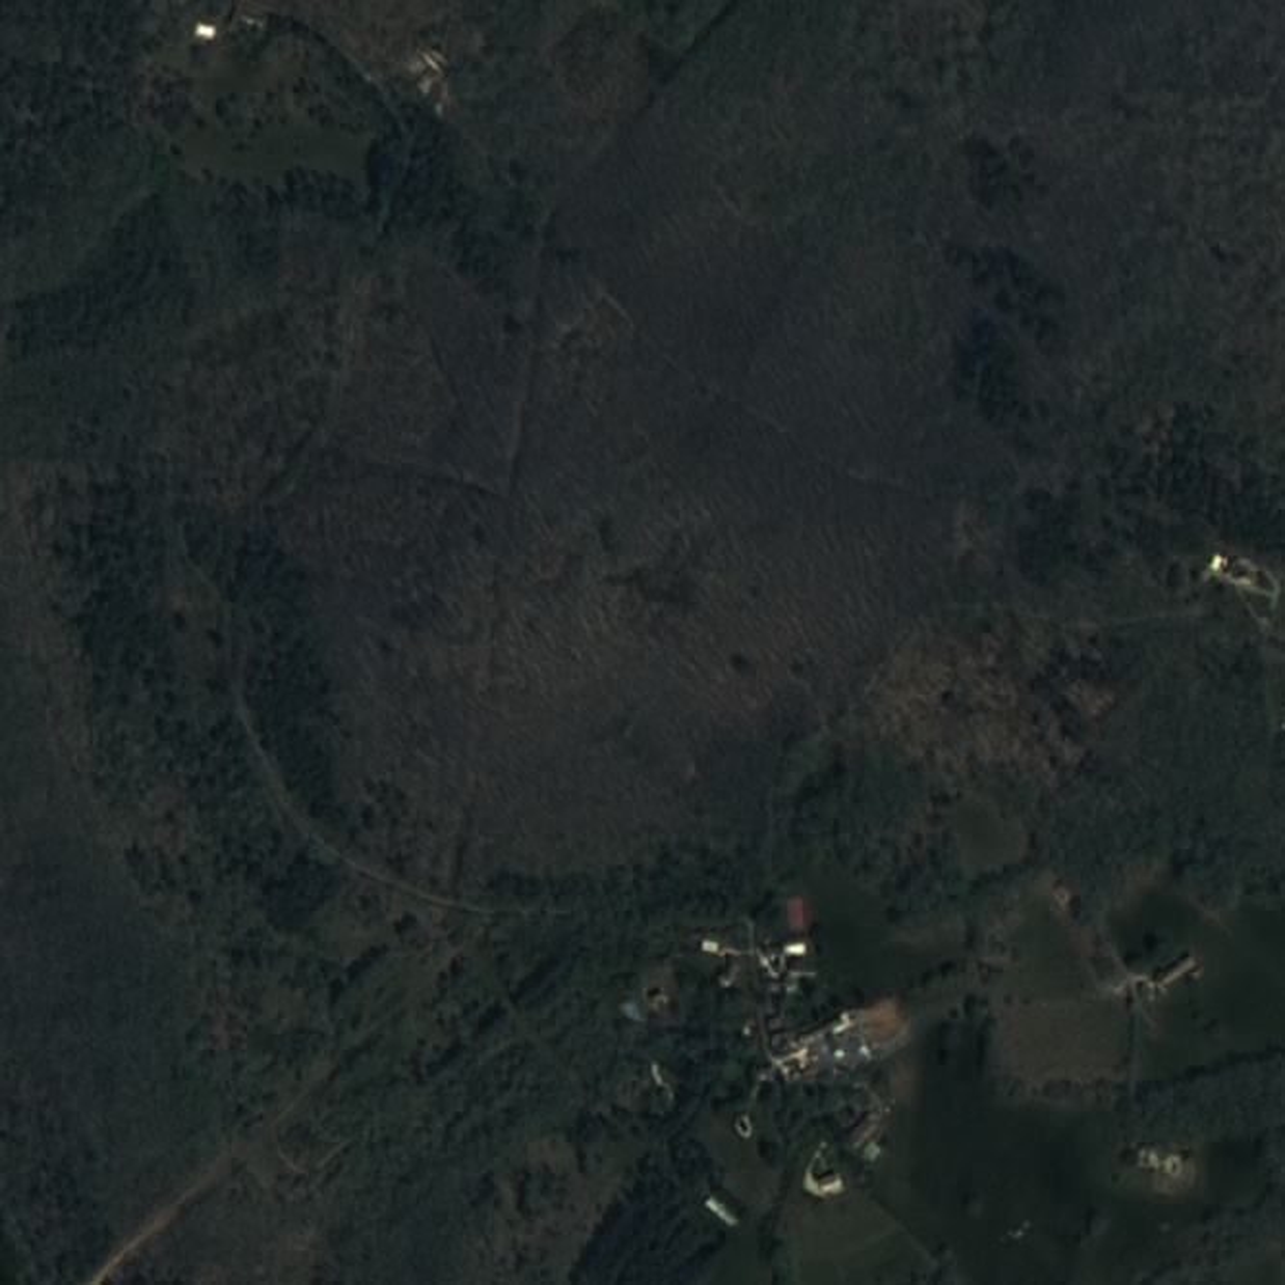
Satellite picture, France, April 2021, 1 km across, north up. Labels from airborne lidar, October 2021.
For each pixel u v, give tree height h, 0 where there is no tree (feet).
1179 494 43
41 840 50
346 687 35
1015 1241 0
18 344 39
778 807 49
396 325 51
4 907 44
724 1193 33
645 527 45
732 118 53
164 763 27
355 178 0
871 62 63
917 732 68
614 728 44
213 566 49
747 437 47
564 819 54
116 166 56
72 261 69
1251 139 44
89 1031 68
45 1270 52
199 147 0
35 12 56
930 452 65
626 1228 56
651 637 51
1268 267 42
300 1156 28
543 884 44
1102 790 82
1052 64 60
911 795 67
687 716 39
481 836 41
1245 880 56
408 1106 61
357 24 25
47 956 62
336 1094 21
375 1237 74
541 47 78
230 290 53
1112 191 59
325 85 45
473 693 35
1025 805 77
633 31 25
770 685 46
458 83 60
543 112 73
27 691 50
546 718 34
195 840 22
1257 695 36
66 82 50
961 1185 0
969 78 79
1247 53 43
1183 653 51
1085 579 62
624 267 45
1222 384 38
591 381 45
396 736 42
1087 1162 0
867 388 63
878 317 46
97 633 58
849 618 45
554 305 57
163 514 39
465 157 53
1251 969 0
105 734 27
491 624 32
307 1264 42
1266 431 41
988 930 57
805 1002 27
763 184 47
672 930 28
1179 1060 0
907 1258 0
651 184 37
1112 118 51
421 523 22
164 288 23
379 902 38
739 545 40
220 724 22
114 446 23
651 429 36
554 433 38
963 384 49
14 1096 25
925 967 0
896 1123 0
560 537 50
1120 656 70
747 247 39
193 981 43
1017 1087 38
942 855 66
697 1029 21
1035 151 55
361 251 38
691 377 41
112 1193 31
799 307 61
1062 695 88
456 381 50
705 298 46
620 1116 42
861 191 51
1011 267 53
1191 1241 0
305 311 23
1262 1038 0
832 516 43
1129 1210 0
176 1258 39
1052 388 59
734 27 54
